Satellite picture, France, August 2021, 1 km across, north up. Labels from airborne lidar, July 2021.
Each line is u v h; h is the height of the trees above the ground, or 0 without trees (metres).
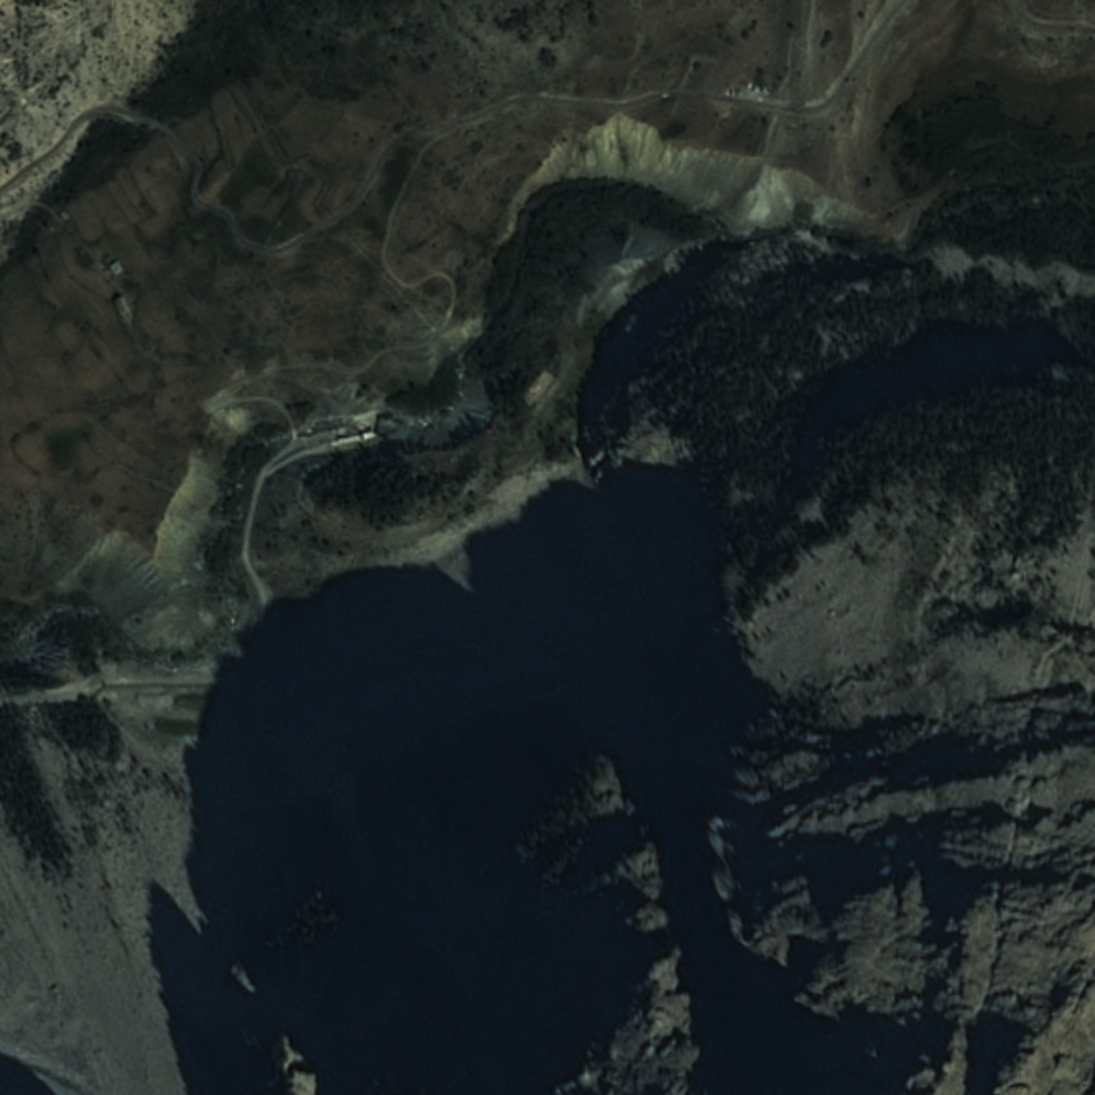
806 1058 0
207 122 0
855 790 0
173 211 0
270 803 0
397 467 7
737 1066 0
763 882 0
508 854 0
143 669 0
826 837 0
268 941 7
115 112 0
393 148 0
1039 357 0
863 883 0
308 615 0
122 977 0
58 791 0
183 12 0
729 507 9
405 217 0
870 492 10
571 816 11
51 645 0
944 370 0
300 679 0
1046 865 0
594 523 0
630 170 0
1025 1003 0
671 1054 0
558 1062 0
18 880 0
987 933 0
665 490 0
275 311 0
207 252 0
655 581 0
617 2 0
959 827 0
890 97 0
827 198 0
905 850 0
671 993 0
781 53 0
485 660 0
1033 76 0
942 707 0
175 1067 0
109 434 0
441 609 0
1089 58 0
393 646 0
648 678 0
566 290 0
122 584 0
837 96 0
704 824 0
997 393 6
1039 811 0
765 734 6
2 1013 0
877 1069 0
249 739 0
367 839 0
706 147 0
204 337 0
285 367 0
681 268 0
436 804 7
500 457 0
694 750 0
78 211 0
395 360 0
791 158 0
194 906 0
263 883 0
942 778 0
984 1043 0
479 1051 0
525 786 0
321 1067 0
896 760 0
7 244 0
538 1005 0
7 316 0
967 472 6
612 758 0
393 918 0
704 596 0
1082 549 0
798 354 7
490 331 7
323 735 0
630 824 0
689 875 0
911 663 0
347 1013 0
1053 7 0
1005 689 0
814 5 0
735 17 0
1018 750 0
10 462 0
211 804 0
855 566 0
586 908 0
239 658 0
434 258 0
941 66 0
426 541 0
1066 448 9
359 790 0
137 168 0
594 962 0
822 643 0
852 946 0
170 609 0
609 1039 0
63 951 0
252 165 0
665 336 7
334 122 0
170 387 0
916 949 0
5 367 0
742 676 0
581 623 0
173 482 0
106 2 0
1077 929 0
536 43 0
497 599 0
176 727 0
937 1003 0
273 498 0
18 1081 0
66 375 0
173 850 0
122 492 0
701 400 7
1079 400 8
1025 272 0
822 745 0
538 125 0
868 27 0
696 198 0
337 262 0
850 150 0
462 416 0
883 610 0
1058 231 6
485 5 0
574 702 0
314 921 7
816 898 0
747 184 0
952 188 0
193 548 0
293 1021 0
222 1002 0
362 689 0
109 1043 0
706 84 0
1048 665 0
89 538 0
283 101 0
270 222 0
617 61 0
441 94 0
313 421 0
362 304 0
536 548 0
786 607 0
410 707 0
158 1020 0
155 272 0
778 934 0
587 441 0
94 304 0
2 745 8
